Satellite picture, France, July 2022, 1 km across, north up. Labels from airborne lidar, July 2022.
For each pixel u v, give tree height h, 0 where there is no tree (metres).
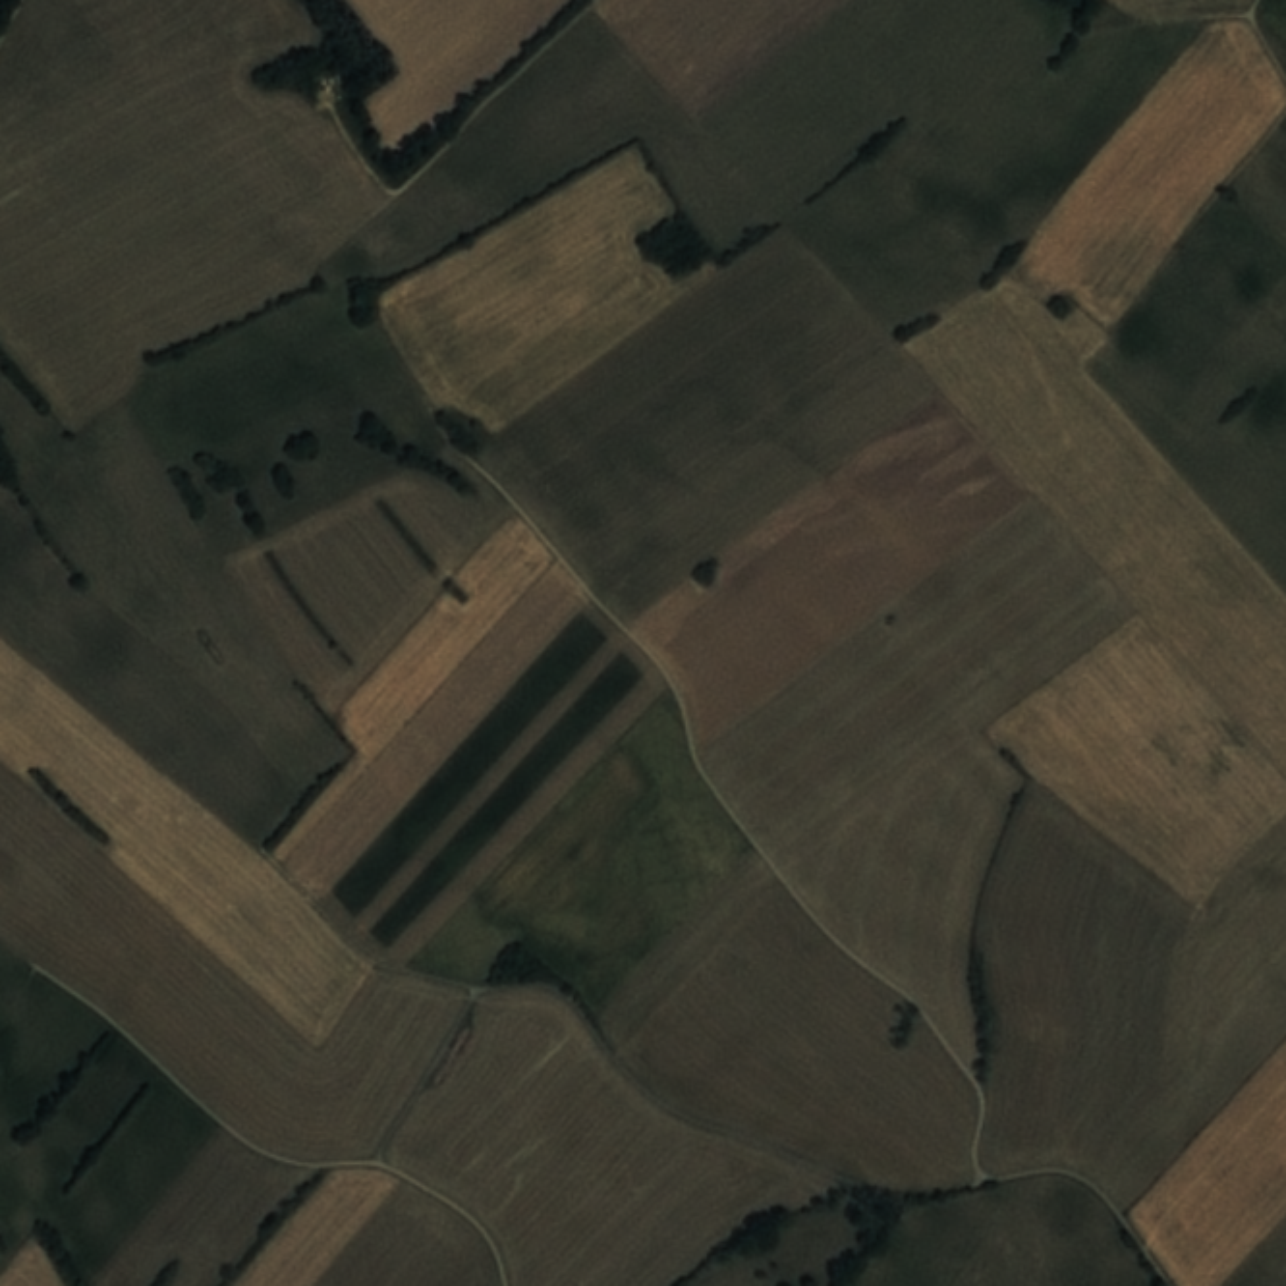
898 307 0
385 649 0
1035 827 0
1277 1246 0
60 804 14
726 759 0
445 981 0
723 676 0
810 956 0
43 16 0
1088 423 0
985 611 0
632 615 0
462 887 0
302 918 0
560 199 0
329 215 0
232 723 0
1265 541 0
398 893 0
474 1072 0
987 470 0
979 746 0
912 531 0
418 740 0
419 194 0
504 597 0
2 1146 0
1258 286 0
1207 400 0
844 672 0
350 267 0
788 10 0
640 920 0
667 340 0
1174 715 0
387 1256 0
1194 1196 0
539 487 0
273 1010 0
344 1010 0
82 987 0
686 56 0
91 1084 0
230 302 0
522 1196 0
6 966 0
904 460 0
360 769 0
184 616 0
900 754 0
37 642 0
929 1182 0
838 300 0
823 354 0
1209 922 0
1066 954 0
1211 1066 0
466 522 0
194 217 0
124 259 0
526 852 0
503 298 0
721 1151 0
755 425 0
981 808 0
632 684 0
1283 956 0
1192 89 0
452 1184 0
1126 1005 0
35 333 0
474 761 0
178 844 0
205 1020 0
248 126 0
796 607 0
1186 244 0
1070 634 0
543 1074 0
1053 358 0
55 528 0
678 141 0
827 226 0
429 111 0
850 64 0
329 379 0
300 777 0
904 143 0
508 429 0
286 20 0
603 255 0
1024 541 0
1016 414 0
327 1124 0
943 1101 0
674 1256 0
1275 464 0
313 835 0
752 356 0
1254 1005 0
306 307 0
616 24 0
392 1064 0
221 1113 0
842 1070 0
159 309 0
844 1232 0
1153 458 0
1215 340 0
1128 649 0
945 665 0
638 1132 0
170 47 0
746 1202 0
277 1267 0
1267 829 0
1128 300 0
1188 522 0
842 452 0
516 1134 0
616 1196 0
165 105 0
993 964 0
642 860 0
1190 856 0
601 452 0
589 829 0
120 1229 0
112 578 0
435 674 0
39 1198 0
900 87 0
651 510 0
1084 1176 0
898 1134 0
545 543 0
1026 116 0
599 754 0
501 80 8
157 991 0
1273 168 0
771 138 0
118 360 0
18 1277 0
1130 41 0
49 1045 0
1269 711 0
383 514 0
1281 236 0
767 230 12
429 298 0
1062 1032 0
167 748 0
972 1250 0
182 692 0
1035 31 0
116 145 0
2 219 0
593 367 0
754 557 0
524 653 0
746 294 0
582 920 0
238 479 8
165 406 0
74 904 0
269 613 0
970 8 0
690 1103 0
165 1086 0
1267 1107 0
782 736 0
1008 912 0
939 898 0
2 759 0
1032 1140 0
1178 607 0
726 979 0
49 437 0
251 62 0
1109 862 0
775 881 0
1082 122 0
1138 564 0
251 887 0
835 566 0
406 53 0
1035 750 0
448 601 0
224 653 0
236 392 0
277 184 0
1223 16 0
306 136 0
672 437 0
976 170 0
